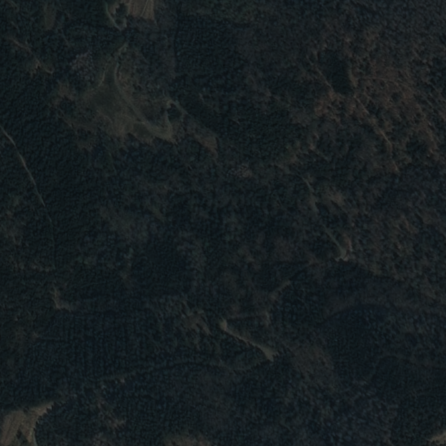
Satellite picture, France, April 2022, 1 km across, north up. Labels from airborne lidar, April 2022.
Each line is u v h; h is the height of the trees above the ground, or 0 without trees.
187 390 26
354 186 18
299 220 26
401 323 27
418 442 12
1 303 20
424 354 12
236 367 21
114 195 22
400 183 18
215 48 22
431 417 6
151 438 27
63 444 23
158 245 25
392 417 31
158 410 25
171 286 17
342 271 12
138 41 24
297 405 24
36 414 0
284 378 14
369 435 30
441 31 29
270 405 10
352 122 20
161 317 21
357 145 25
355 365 19
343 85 16
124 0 0
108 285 14
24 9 28
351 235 20
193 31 25
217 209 31
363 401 14
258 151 24
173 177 23
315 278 22
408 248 7
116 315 10
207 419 24
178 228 24
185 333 16
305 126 27
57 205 24
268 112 21
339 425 26
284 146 18
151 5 0
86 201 25
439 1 31
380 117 18
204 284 20
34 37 28
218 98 16
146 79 20
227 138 22
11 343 20
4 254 19
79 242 17
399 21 31
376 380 12
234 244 20
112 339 20
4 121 31
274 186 10
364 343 15
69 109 8
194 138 20
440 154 17
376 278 12
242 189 14
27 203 25
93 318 18
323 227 24
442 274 30
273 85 16
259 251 19
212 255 21
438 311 13
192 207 24
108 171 30
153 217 24
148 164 32
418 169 20
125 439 27
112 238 33
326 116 14
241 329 24
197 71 21
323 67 13
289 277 26
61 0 21
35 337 7
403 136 18
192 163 18
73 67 28
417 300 16
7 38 7
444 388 12
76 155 20
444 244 30
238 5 16
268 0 15
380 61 10
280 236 22
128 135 0
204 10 17
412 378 16
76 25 19
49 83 6
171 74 23
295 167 12
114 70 0
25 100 18
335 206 0
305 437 23
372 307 12
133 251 25
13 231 21
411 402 14
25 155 21
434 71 28
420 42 30
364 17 13
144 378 15
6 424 31
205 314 23
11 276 23
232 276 18
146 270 19
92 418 17
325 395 28
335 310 21
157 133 0
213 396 23
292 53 15
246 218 22
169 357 19
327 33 16
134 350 20
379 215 15
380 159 20
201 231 19
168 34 21
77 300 12
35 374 20
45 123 27
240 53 24
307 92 6
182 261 19
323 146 25
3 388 23
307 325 30
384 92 11
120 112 0
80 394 23
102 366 29
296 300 7
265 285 15
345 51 15
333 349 23
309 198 15
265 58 13
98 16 16
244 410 15
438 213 9
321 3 23
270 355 0
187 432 20
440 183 31
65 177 22
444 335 14
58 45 24
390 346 13
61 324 21
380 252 15
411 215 30
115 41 26
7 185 20
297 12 24
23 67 21
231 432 22
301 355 23
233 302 21
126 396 23
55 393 17
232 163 22
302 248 22
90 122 8
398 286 13
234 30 27
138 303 15
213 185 23
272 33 14
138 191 9
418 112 10
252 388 20
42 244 20
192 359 24
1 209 16
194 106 11
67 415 24
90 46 25
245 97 15
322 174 19
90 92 0
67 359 18
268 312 16
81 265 14
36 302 24
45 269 24
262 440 20
